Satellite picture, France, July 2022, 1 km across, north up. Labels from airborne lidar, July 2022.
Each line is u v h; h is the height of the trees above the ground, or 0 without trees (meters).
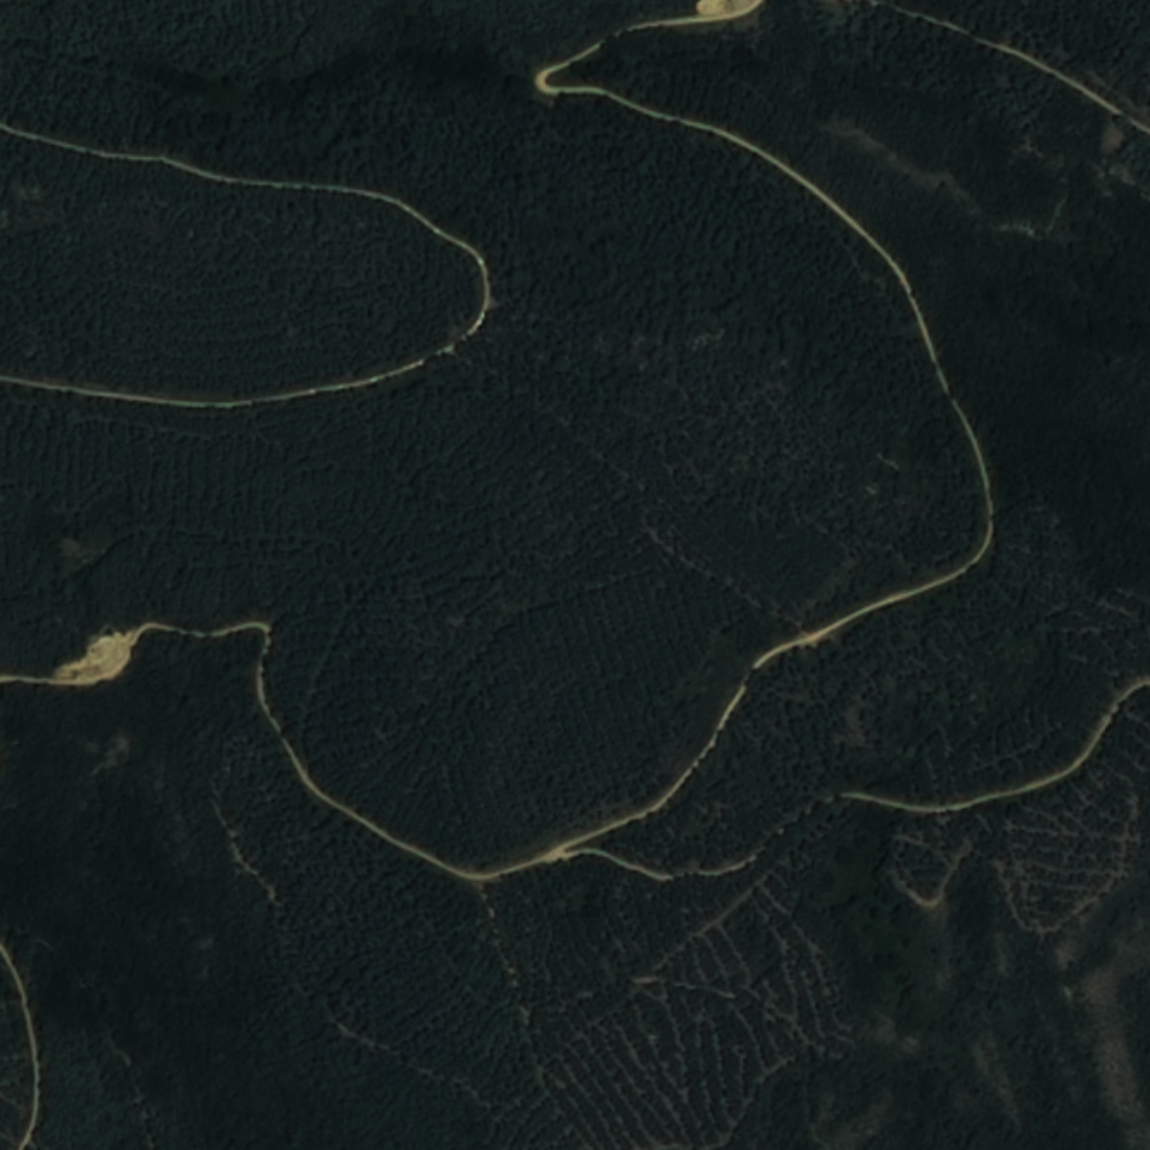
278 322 13
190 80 22
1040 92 10
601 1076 14
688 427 13
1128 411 7
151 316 14
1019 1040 11
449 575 17
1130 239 16
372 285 8
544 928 13
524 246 6
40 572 19
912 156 9
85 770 15
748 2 0
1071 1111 8
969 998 12
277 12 17
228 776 15
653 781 13
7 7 15
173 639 11
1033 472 12
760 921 14
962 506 17
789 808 12
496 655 17
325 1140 6
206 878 10
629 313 10
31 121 19
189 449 18
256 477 16
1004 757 18
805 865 16
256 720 12
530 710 12
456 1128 12
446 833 15
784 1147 11
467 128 15
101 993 15
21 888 14
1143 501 12
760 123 12
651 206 15
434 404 16
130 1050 19
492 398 17
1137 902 11
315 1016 12
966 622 19
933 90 14
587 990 14
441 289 15
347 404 14
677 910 15
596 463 14
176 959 17
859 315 16
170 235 6
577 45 11
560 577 14
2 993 13
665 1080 16
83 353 9
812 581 16
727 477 6
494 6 20
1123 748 16
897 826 18
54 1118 20
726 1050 13
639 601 17
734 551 18
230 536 15
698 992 13
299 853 16
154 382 12
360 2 18
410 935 18
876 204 10
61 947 17
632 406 9
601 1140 12
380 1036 12
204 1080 13
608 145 15
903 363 15
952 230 8
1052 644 10
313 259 8
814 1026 15
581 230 8
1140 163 15
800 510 12
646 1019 11
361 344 12
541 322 13
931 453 12
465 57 20
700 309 7
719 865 15
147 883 23
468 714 6
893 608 17
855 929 6
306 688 17
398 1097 15
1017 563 19
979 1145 17
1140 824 12
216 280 12
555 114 20
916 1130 8
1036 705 16
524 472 17
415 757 14
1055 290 19
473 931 12
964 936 12
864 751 17
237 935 11
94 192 12
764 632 17
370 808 15
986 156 11
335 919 21
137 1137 15
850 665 19
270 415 17
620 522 14
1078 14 19
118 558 15
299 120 12
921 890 16
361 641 18
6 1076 14
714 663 9
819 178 11
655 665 19
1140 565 12
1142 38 20
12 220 7
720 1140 15
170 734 8
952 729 18
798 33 16
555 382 17
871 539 15
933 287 11
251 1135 14
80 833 17
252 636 7
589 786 10
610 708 17
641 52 12
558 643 17
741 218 13
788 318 13
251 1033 16
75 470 19
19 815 10
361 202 12
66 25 15
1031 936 8
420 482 19
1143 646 19
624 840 13
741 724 16
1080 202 14
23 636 8
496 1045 13
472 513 16
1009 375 9
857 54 20
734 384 11
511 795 15
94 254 9
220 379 12
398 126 14
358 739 15
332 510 19
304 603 19
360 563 13
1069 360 8
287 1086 10
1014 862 11
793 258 13
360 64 20
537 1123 12
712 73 16
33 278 9
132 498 18
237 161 13
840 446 10
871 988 12
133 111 14
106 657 0
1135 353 15
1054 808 15
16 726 13
